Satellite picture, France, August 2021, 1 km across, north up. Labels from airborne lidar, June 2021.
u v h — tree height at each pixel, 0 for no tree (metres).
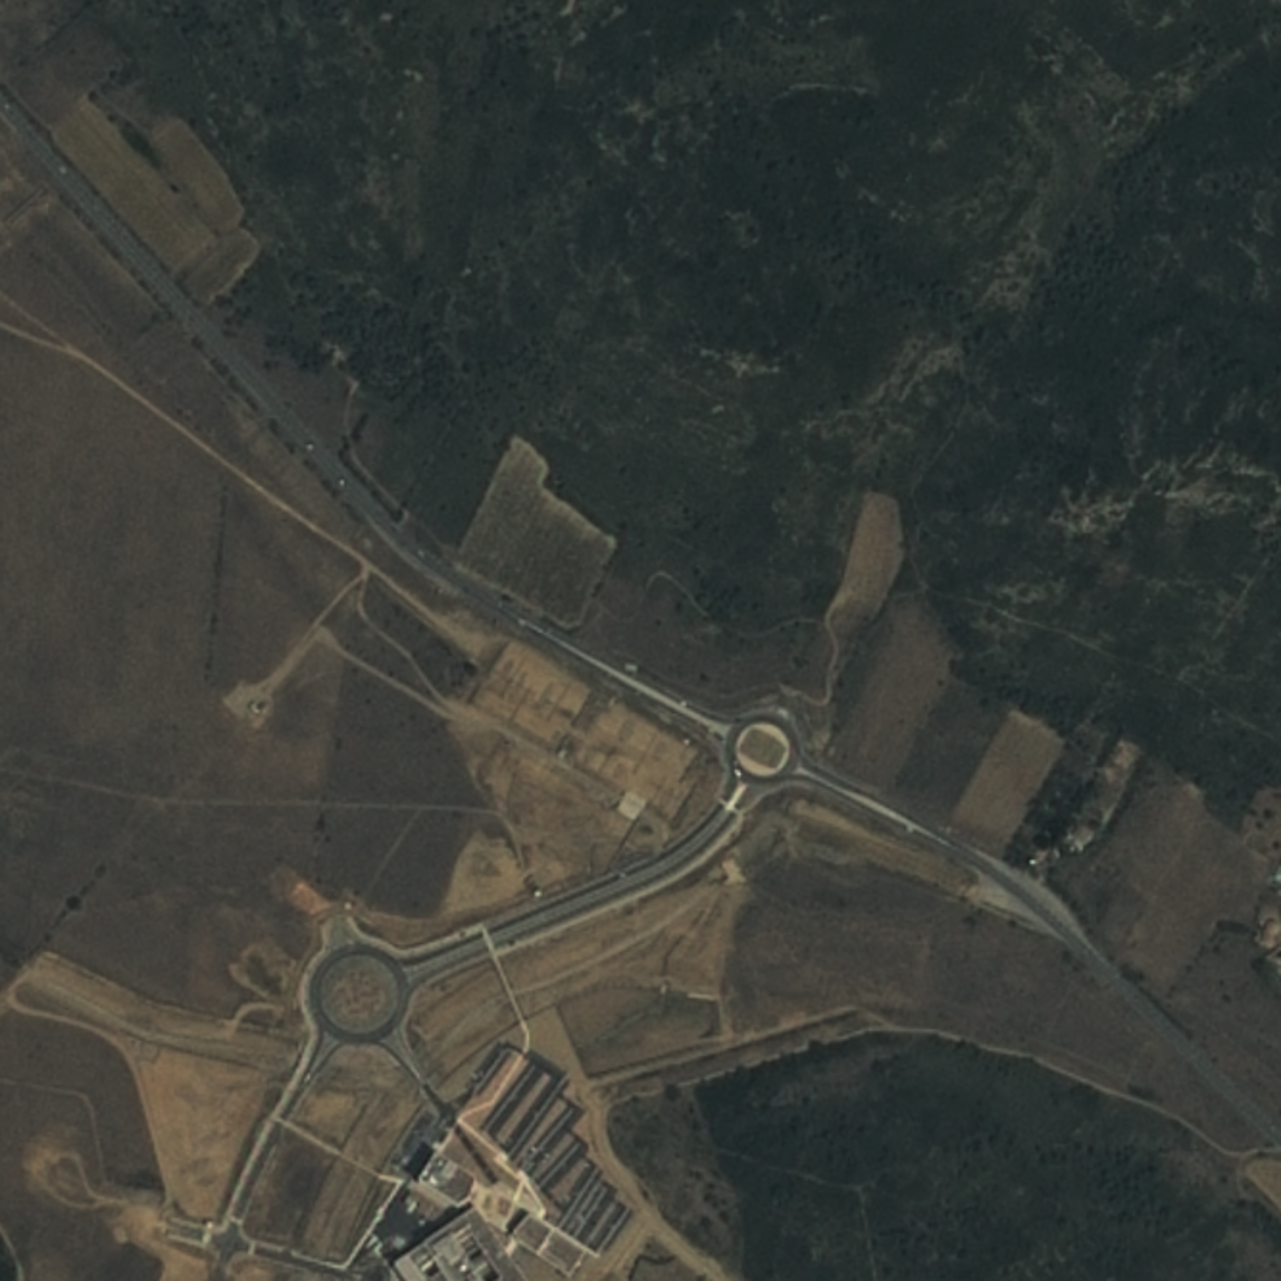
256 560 0
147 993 0
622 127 0
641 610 0
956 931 0
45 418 0
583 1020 0
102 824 0
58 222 0
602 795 0
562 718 0
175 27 0
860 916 0
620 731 0
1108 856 0
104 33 0
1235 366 9
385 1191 0
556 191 0
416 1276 0
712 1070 0
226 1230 0
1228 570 0
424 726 0
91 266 0
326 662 0
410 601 0
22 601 0
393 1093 0
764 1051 0
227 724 0
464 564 0
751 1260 0
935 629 0
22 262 0
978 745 0
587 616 0
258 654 0
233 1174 0
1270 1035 0
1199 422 0
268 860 0
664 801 0
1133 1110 0
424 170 0
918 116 0
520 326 0
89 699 0
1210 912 0
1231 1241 0
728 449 0
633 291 0
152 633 0
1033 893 0
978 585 0
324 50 0
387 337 8
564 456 0
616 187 0
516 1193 0
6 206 0
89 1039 0
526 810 0
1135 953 0
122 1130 0
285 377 0
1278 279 0
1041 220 0
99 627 0
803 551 0
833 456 0
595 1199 0
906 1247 8
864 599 0
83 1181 0
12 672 0
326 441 0
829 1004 0
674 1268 0
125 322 0
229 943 0
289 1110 0
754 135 7
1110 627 0
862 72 0
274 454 0
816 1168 0
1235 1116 0
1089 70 0
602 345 0
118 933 0
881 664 0
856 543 0
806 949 0
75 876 0
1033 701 11
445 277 0
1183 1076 0
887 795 0
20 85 0
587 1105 0
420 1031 0
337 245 0
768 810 0
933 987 0
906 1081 0
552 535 0
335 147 0
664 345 0
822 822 0
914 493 0
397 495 0
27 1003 0
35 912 0
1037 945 0
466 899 0
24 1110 0
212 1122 0
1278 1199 0
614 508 0
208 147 0
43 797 0
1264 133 0
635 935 0
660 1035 0
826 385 0
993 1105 0
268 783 0
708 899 0
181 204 0
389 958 0
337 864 0
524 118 0
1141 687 0
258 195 0
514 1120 0
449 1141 0
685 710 0
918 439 0
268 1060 0
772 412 0
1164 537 0
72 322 0
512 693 0
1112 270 8
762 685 0
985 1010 0
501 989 0
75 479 0
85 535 0
